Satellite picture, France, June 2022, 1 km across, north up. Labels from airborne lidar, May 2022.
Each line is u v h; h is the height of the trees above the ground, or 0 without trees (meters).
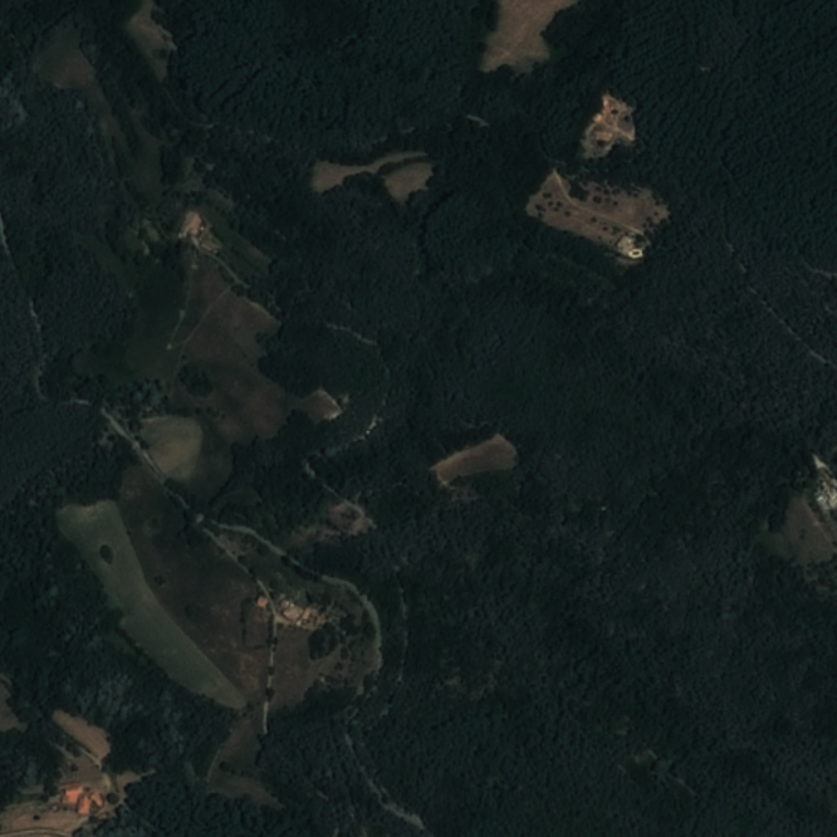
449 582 11
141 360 0
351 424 10
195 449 0
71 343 22
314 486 17
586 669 25
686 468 19
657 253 9
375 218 13
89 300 21
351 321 13
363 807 13
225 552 7
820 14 27
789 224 31
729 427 18
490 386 14
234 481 14
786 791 12
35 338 16
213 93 31
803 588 11
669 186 24
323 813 11
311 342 15
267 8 27
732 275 20
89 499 8
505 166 15
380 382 13
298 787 17
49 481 13
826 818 15
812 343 13
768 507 20
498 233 14
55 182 20
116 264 0
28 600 17
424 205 21
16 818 0
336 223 18
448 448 17
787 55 30
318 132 34
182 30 18
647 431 17
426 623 12
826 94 26
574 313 14
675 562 14
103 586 10
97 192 15
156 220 11
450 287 24
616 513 12
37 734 13
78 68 0
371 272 14
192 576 0
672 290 13
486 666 14
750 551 22
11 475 19
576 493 17
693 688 11
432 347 15
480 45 11
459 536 18
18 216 19
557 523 16
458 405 15
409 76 16
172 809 26
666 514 17
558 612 17
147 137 0
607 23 21
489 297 17
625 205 0
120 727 9
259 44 27
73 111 19
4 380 22
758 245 19
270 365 16
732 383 15
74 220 19
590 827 12
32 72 14
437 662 16
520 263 23
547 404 18
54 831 0
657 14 24
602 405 17
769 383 10
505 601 22
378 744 18
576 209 0
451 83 30
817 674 12
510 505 6
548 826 17
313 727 18
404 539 20
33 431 17
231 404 0
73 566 15
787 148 30
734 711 20
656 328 15
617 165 16
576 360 17
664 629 10
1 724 0
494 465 0
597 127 0
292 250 19
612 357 21
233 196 10
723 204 19
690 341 15
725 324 12
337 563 16
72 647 24
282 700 0
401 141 21
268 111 32
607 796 17
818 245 26
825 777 22
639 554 17
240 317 0
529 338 10
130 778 0
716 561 15
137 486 0
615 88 12
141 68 18
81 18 21
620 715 12
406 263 17
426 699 9
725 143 23
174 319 0
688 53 25
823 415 14
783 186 28
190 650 0
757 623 7
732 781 19
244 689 0
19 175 14
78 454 17
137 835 18
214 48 34
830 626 8
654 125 24
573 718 13
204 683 0
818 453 13
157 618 0
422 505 15
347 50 16
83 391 16
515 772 22
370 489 16
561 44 9
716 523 16
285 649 0
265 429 0
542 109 22
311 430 16
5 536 19
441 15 31
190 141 24
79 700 17
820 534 0
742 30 20
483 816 25
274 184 20
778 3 17
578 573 10
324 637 11
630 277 12
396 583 10
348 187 11
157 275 0
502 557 14
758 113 28
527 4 0
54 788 9
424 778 16
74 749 17
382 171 10
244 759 0
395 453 17
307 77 25
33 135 15
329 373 13
